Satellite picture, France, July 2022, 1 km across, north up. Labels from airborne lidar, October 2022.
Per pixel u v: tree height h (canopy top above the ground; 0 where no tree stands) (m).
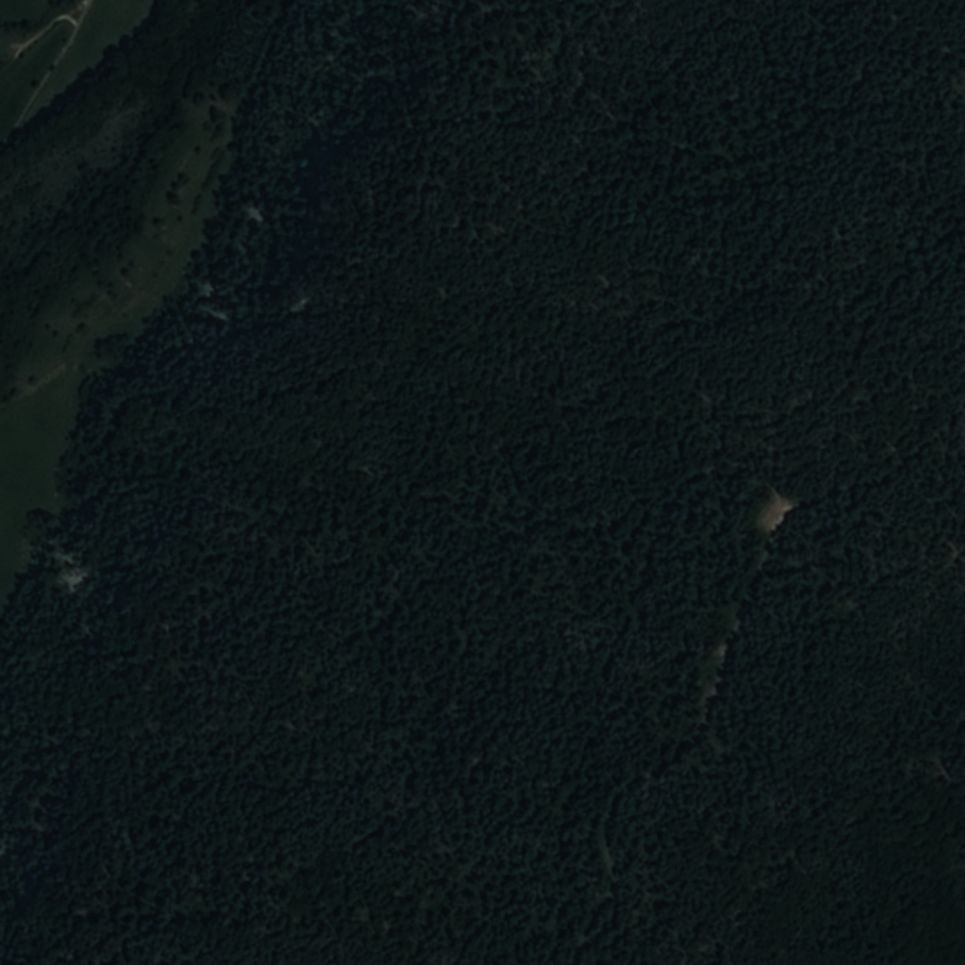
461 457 9
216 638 27
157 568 10
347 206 17
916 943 18
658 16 18
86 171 12
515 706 19
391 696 24
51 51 0
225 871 20
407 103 15
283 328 20
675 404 16
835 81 26
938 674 22
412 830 20
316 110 12
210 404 11
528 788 22
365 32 15
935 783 28
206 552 28
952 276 24
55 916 17
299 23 21
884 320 20
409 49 8
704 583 27
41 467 0
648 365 22
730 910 20
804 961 20
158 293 0
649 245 21
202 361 26
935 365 20
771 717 20
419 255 19
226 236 22
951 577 6
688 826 19
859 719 21
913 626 15
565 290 17
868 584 19
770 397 16
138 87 12
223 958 17
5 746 20
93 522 26
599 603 13
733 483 24
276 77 20
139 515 20
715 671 0
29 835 22
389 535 31
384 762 17
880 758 17
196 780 9
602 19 21
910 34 14
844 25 28
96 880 16
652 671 14
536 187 19
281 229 14
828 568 19
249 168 23
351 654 26
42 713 19
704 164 17
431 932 24
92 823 23
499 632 22
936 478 21
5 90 0
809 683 23
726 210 24
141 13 0
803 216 21
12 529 0
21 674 9
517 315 20
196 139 0
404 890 24
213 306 19
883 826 22
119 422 8
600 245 18
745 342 19
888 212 16
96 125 9
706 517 6
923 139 22
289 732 18
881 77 21
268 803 22
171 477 21
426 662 20
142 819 20
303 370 15
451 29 12
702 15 29
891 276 23
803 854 22
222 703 14
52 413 0
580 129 32
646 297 17
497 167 24
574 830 27
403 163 18
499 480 14
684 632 18
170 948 19
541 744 21
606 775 23
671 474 21
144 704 12
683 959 22
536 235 18
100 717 15
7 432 0
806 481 21
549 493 23
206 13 11
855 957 29
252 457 13
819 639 11
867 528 22
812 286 21
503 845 24
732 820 20
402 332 19
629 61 16
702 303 19
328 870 14
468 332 22
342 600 22
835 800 23
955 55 10
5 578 0
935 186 18
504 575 20
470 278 22
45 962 18
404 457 14
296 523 21
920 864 31
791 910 17
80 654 17
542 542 16
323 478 20
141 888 9
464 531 23
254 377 21
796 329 19
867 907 22
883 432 11
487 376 20
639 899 21
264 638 15
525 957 19
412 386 14
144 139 11
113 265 0
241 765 21
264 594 23
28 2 0
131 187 9
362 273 19
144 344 15
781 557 21
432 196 23
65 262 10
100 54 0
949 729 30
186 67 18
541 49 22
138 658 21
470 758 28
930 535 7
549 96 21
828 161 21
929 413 21
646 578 13
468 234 19
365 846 19
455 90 14
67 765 13
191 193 0
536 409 15
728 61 17
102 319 0
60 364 0
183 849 19
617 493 20
